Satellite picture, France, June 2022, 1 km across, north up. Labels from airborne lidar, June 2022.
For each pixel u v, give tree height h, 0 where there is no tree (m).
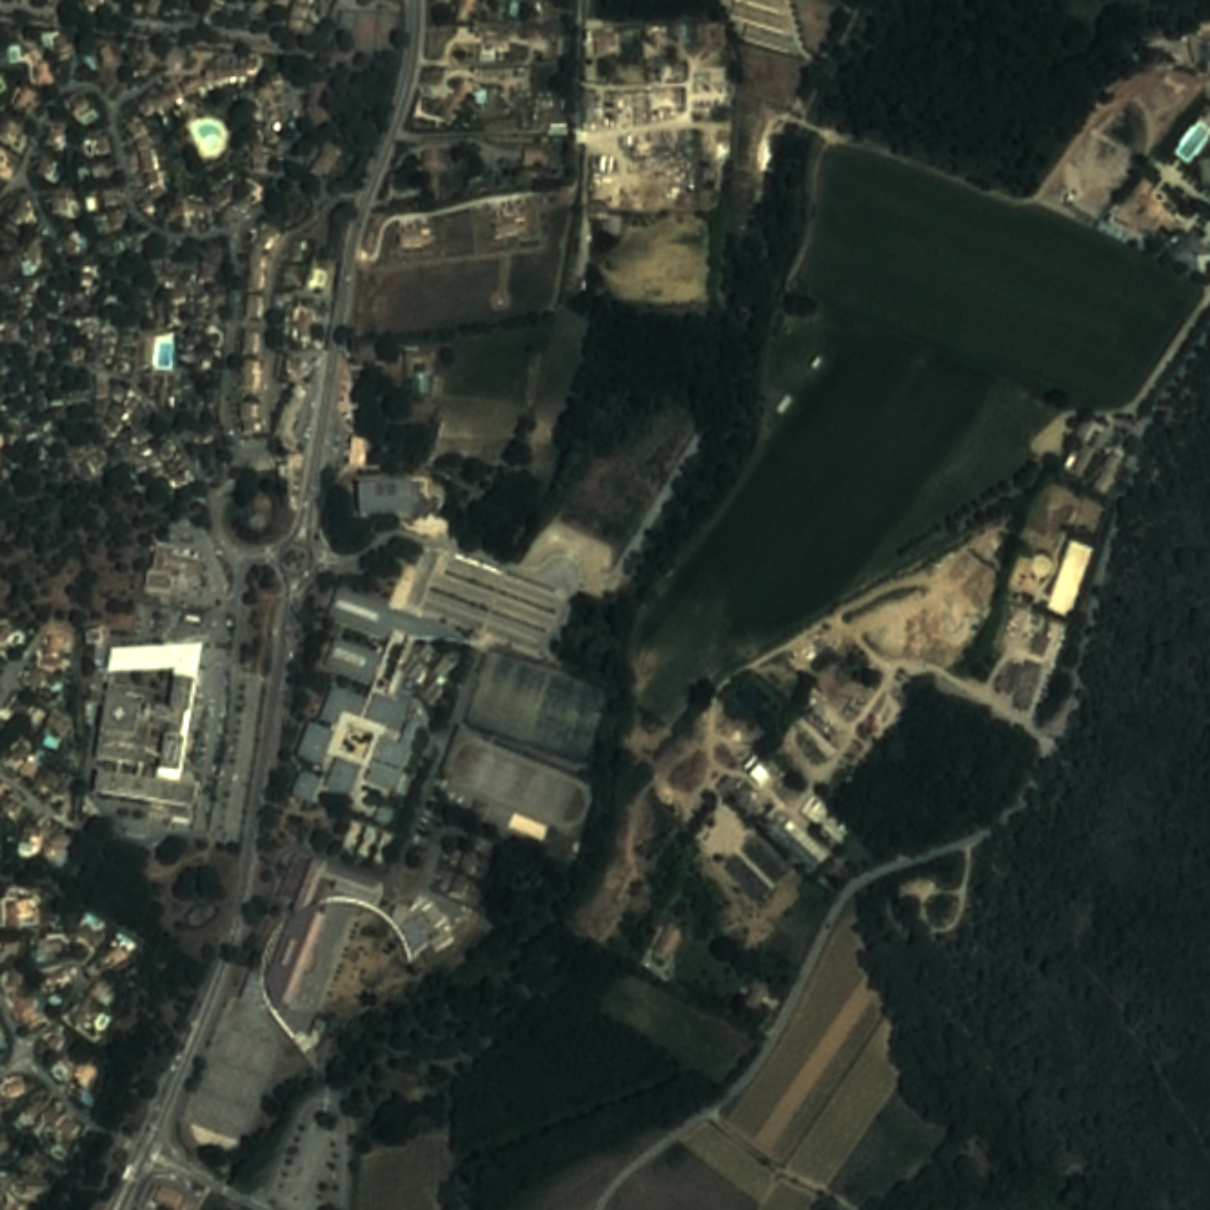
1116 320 0
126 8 10
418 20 0
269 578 11
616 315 14
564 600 0
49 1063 10
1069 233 0
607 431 12
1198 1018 8
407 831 7
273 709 0
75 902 13
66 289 11
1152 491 9
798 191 8
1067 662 10
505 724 0
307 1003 0
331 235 6
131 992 7
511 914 24
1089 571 6
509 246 0
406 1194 0
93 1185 9
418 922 0
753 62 0
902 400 0
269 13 12
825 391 0
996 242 0
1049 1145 10
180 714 0
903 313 0
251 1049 0
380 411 14
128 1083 10
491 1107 17
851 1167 0
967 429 0
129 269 13
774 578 0
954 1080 14
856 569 0
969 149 18
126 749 0
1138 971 9
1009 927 8
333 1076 17
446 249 0
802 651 0
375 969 0
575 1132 17
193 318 11
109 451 9
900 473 0
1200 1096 5
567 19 8
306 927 0
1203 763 6
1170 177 0
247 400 8
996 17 18
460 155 15
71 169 11
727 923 0
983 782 16
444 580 0
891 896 6
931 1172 13
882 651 0
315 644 10
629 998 0
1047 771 14
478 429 0
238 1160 11
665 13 17
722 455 17
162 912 13
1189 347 10
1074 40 16
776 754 10
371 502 0
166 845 10
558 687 0
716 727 0
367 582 12
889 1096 0
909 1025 14
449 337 7
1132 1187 8
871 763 13
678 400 10
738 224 0
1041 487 8
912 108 31
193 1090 11
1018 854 6
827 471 0
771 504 0
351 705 0
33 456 13
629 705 8
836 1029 0
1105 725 10
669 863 5
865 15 8
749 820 9
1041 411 0
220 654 0
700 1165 0
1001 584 8
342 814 12
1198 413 7
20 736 13
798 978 8
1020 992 6
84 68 9
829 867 7
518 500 18
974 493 0
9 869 8
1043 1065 11
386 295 0
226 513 0
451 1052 19
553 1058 19
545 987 19
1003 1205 9
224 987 0
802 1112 0
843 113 20
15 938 12
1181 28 14
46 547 12
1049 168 11
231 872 0
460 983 7
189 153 10
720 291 6
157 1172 0
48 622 7
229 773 0
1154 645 14
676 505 11
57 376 11
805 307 17
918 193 0
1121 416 6
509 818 0
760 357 17
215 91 9
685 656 0
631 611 16
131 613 7
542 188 11
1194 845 7
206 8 12
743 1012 12
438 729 12
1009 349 0
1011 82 11
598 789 11
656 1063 19
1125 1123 5
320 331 12
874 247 0
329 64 11
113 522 8
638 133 0
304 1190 0
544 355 0
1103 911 6
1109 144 0
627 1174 0
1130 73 18
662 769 0
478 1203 21
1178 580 8
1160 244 15
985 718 16
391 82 13
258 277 0
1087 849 8
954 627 0
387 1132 16
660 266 0
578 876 16
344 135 13
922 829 17
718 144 0
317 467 0
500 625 0
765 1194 0
